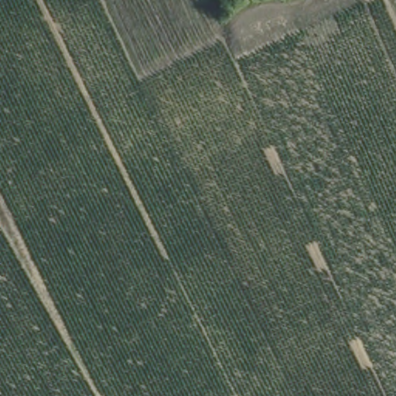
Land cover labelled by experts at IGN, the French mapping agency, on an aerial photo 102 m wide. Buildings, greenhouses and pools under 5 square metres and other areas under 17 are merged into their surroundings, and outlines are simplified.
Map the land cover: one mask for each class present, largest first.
<instances>
[{"label":"vineyard","instance_id":"1","mask_svg":"<svg viewBox=\"0 0 396 396\"><path fill-rule=\"evenodd\" d=\"M229 17V11L221 6L220 0H0V396H396V0H360L343 11L334 12V22L339 26V32L328 34L326 42L306 45L303 40L306 31H299L292 36H286L280 42L258 49L257 53L243 59L230 57L221 45L226 39L218 20Z\"/></svg>","mask_w":396,"mask_h":396},{"label":"herbaceous vegetation","instance_id":"2","mask_svg":"<svg viewBox=\"0 0 396 396\"><path fill-rule=\"evenodd\" d=\"M360 0H265L261 5L255 3L252 8L247 6L232 22L229 17L218 20L226 39L221 45L230 57L243 59L257 53L258 49L280 42L286 36H292L299 31H306L303 40L306 45L326 42L328 34L339 32V26L334 22V12L343 11Z\"/></svg>","mask_w":396,"mask_h":396},{"label":"coniferous trees","instance_id":"3","mask_svg":"<svg viewBox=\"0 0 396 396\"><path fill-rule=\"evenodd\" d=\"M265 0H220L221 6L229 11V17L232 22L247 6L252 8L255 3L261 5Z\"/></svg>","mask_w":396,"mask_h":396}]
</instances>
